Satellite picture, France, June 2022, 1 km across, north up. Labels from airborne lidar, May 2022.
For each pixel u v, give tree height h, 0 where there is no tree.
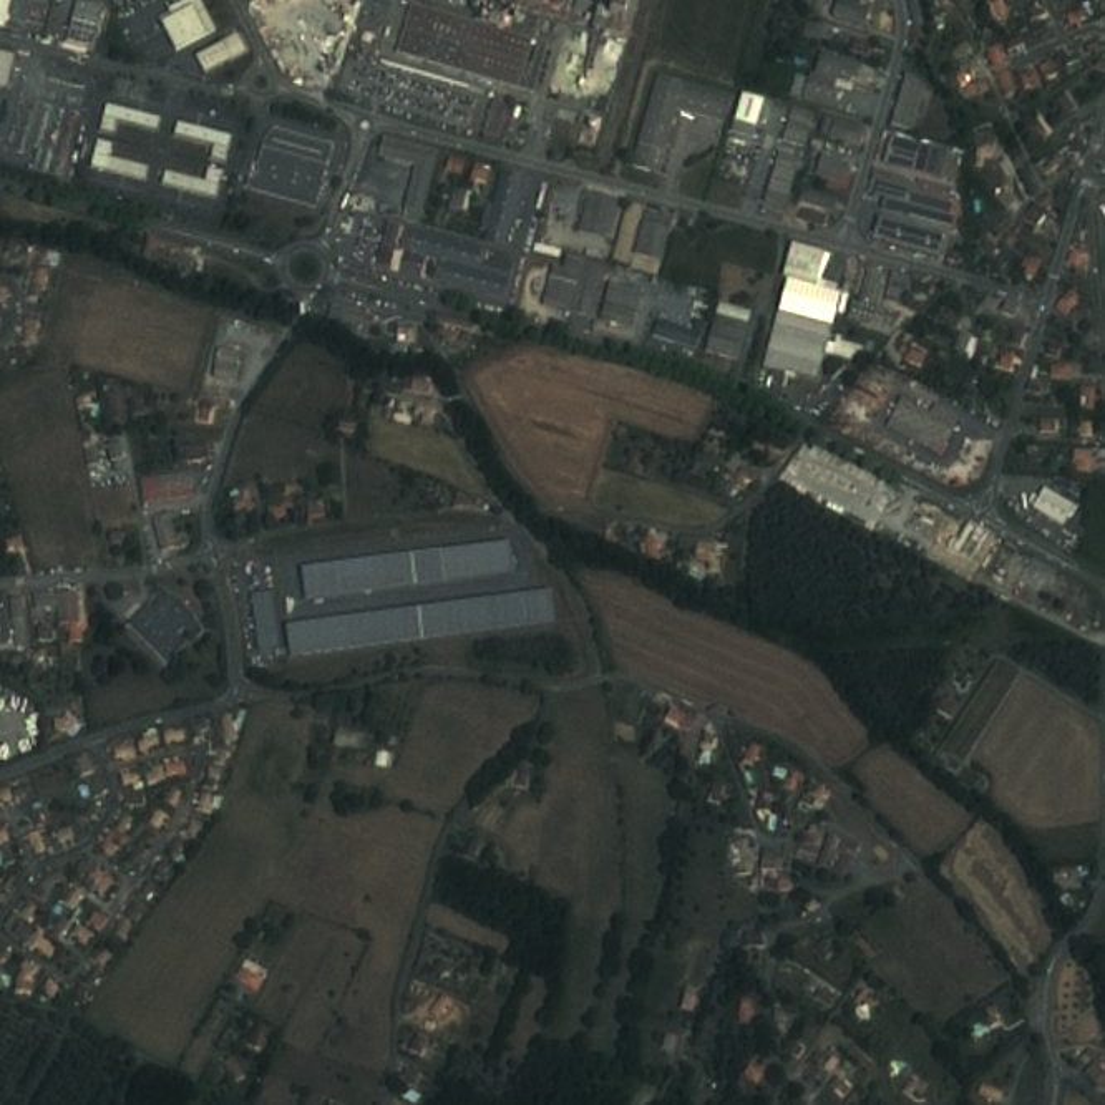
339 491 0
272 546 0
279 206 0
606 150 0
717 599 16
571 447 0
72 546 0
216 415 0
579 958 0
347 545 0
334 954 0
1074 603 0
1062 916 19
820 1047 0
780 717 0
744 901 0
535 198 0
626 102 0
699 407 0
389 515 0
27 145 0
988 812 13
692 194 0
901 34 0
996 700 0
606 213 0
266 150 0
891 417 0
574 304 0
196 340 0
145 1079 21
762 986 12
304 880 0
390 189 0
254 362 0
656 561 12
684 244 0
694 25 0
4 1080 19
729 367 0
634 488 0
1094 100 0
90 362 0
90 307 0
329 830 0
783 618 11
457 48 0
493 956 11
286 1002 0
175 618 0
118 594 11
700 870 0
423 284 0
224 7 0
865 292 0
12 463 0
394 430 0
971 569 0
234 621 0
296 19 0
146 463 8
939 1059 16
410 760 0
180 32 0
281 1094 0
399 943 0
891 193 0
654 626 0
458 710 0
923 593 14
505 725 0
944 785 14
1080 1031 0
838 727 0
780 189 0
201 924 0
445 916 0
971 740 0
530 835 0
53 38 0
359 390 9
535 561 0
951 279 0
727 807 13
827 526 14
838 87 0
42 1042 19
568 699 0
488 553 0
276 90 0
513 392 0
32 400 0
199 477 0
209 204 0
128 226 19
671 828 11
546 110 0
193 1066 0
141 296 0
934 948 0
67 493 0
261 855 0
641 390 0
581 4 0
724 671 0
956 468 0
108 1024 0
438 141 0
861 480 0
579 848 0
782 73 0
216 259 0
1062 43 0
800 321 0
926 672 14
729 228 0
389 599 0
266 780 0
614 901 0
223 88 0
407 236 0
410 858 0
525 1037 0
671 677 0
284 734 0
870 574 8
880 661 13
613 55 0
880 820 11
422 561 0
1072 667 17
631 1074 15
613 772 0
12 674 8
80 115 0
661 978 0
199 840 8
